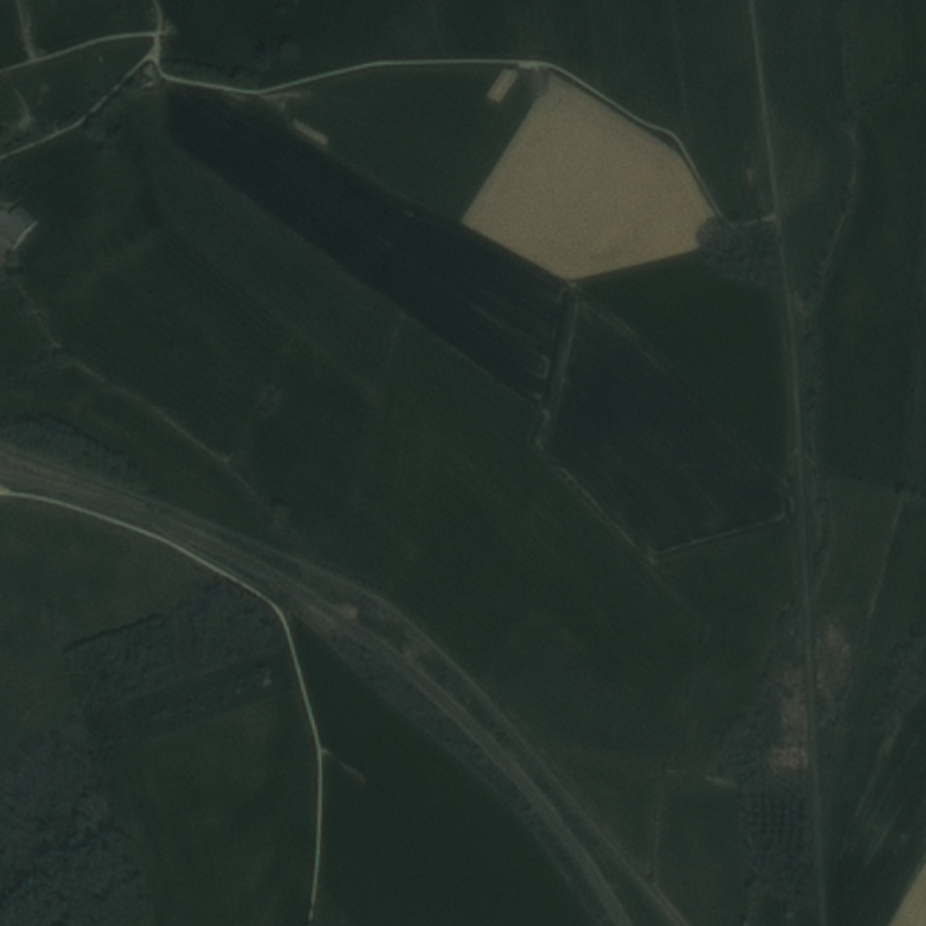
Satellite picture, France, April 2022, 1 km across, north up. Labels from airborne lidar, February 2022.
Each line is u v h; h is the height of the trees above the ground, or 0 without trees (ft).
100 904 100
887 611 0
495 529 0
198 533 0
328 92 0
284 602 0
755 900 29
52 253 0
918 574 0
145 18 0
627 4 0
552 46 0
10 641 0
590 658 0
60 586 0
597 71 0
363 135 0
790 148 0
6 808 86
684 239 0
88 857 104
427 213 0
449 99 0
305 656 0
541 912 0
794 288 0
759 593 0
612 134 0
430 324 0
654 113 0
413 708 21
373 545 0
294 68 0
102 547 0
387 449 0
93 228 0
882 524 0
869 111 0
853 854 0
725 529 0
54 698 0
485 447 0
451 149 0
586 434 0
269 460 0
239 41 0
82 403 0
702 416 0
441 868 0
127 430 0
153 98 0
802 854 68
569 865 35
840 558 0
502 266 0
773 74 0
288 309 0
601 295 0
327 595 0
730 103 0
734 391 0
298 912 0
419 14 0
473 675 0
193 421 0
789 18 0
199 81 23
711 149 0
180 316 0
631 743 0
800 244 0
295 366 0
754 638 0
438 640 0
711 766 0
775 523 0
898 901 0
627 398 0
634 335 0
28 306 42
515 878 0
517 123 0
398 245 0
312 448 0
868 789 0
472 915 0
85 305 0
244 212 0
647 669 0
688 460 0
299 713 0
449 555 0
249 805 0
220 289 0
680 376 0
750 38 0
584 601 0
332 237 0
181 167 0
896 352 0
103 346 0
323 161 0
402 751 0
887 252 0
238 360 0
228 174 0
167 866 0
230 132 0
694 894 0
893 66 0
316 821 0
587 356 0
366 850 0
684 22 0
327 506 0
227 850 0
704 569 0
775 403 0
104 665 40
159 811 0
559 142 0
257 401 0
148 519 0
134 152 0
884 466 0
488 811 0
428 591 0
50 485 0
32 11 0
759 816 36
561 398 0
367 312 0
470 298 0
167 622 23
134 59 0
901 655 55
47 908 98
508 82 0
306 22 0
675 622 0
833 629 0
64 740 0
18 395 0
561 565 0
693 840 0
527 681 0
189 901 0
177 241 0
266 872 0
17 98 0
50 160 0
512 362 0
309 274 0
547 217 0
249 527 0
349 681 0
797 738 0
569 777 0
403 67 0
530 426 0
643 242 0
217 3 0
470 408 0
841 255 0
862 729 0
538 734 0
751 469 0
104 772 95
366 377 0
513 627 0
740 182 0
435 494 0
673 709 0
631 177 0
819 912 0
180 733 0
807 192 0
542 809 0
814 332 34
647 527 0
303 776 0
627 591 0
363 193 0
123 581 0
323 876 0
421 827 0
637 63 0
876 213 0
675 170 0
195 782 0
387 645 0
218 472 0
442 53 0
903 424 0
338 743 0
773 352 0
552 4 0
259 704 0
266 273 0
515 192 0
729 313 0
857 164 0
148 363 0
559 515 0
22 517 0
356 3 0
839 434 0
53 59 0
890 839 0
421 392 0
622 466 0
